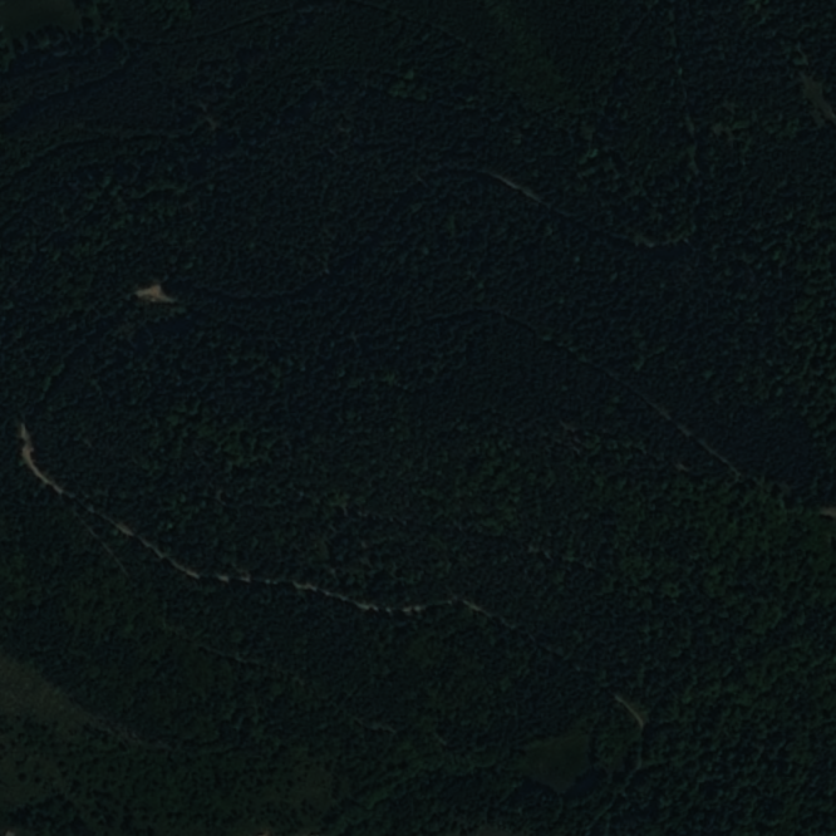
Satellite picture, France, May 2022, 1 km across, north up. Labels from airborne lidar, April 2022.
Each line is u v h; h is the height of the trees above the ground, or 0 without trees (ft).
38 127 73
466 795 58
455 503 72
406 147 94
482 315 78
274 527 80
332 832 74
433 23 47
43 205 52
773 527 37
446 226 100
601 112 31
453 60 68
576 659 88
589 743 0
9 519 50
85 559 67
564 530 80
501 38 50
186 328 97
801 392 68
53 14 0
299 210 93
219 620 79
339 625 58
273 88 40
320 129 88
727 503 28
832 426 59
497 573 88
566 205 98
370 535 65
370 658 56
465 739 69
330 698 26
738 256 69
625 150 47
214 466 74
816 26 67
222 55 62
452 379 76
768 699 85
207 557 85
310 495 87
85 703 51
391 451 76
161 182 83
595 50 59
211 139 44
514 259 100
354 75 47
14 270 88
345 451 75
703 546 54
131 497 77
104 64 90
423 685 38
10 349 88
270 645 67
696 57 93
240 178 103
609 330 104
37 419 62
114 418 85
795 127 28
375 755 59
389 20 40
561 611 89
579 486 88
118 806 39
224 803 28
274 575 89
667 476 68
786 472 85
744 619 98
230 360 76
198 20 62
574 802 43
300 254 103
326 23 44
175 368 36
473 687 64
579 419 77
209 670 46
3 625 33
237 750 71
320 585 85
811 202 39
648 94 44
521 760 44
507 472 73
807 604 57
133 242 92
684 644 78
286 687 65
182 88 63
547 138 71
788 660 85
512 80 43
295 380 118
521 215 93
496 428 65
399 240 95
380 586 81
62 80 77
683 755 70
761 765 74
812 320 46
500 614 71
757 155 43
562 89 31
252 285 92
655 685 101
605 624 82
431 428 75
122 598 49
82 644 65
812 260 77
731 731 49
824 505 58
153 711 52
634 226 96
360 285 84
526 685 86
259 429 34
